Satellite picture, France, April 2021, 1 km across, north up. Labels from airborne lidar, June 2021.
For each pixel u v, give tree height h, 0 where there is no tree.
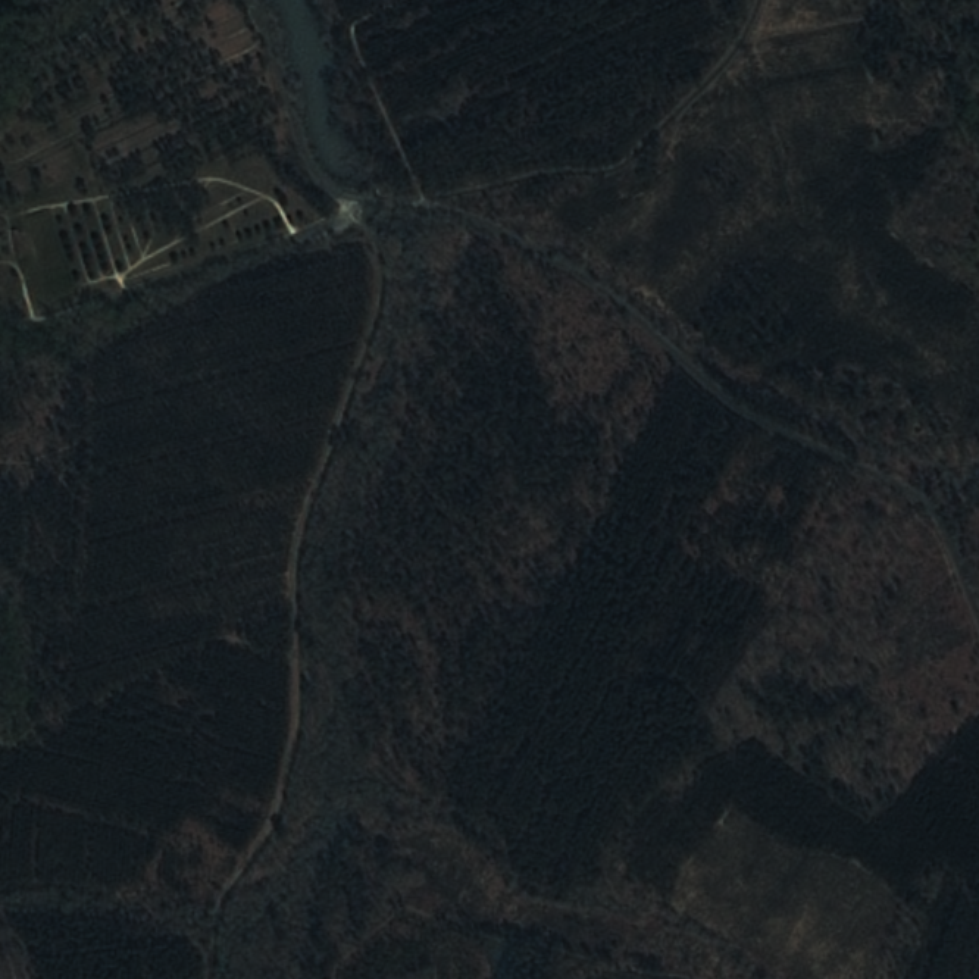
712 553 7
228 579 13
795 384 22
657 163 18
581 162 19
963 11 7
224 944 22
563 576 12
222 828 13
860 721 12
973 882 8
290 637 20
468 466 22
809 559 16
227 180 0
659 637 7
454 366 20
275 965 8
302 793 19
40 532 17
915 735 9
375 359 12
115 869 11
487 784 20
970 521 21
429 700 21
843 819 9
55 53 21
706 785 9
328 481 15
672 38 10
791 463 12
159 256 0
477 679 24
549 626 18
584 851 19
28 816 13
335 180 6
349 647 18
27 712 15
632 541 20
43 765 13
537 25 9
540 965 8
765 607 9
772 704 12
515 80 13
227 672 14
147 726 13
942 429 19
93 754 13
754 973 7
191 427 11
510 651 22
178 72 20
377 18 10
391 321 12
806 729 14
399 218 8
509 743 21
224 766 12
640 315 9
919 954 7
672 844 8
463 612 12
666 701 22
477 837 22
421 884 9
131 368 11
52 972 20
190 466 12
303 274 13
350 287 14
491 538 21
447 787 17
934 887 12
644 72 18
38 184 11
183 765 13
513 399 19
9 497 23
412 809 9
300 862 16
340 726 22
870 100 0
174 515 11
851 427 17
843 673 6
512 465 6
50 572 10
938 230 0
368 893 23
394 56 6
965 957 16
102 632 15
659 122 17
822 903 0
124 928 19
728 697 12
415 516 25
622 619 21
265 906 21
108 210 0
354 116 10
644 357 7
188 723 10
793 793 9
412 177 18
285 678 13
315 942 17
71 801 13
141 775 13
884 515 14
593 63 11
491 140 22
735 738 11
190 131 20
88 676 13
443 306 13
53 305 6
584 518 9
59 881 12
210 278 13
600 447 22
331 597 22
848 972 0
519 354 11
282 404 12
